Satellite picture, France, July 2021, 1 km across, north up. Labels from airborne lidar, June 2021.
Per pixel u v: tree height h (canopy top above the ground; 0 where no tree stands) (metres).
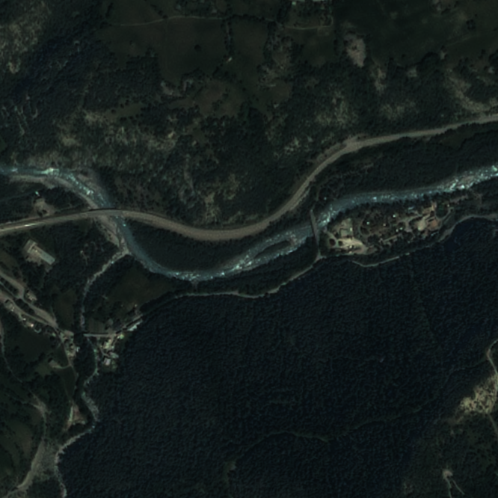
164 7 0
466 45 0
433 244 5
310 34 0
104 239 9
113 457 12
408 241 12
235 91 0
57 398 11
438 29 0
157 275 10
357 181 12
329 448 8
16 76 9
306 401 22
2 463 0
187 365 9
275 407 20
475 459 8
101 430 13
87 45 11
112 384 16
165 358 15
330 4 7
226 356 22
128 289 0
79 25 14
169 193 12
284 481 14
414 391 14
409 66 8
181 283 14
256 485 12
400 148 12
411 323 16
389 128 13
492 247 15
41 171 0
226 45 9
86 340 14
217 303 15
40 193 10
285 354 15
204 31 0
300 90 12
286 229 9
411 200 0
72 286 15
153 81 6
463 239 9
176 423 8
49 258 0
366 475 7
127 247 0
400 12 0
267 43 6
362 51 0
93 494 18
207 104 0
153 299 0
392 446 27
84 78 6
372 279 14
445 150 11
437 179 8
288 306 15
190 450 9
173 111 9
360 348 22
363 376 18
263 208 10
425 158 12
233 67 0
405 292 14
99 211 0
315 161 7
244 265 0
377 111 7
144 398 10
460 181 0
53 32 10
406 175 12
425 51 0
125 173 8
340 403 22
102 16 11
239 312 14
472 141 16
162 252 6
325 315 14
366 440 17
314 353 12
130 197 6
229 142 10
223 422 17
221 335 21
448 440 9
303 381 13
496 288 23
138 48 0
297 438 22
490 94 7
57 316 9
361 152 7
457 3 8
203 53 0
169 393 10
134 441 16
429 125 13
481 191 10
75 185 0
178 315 15
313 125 7
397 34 0
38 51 8
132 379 12
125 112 0
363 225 8
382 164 11
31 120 6
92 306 16
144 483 11
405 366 10
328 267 16
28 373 13
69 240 12
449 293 19
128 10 0
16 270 9
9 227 0
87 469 13
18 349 12
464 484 12
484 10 0
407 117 9
